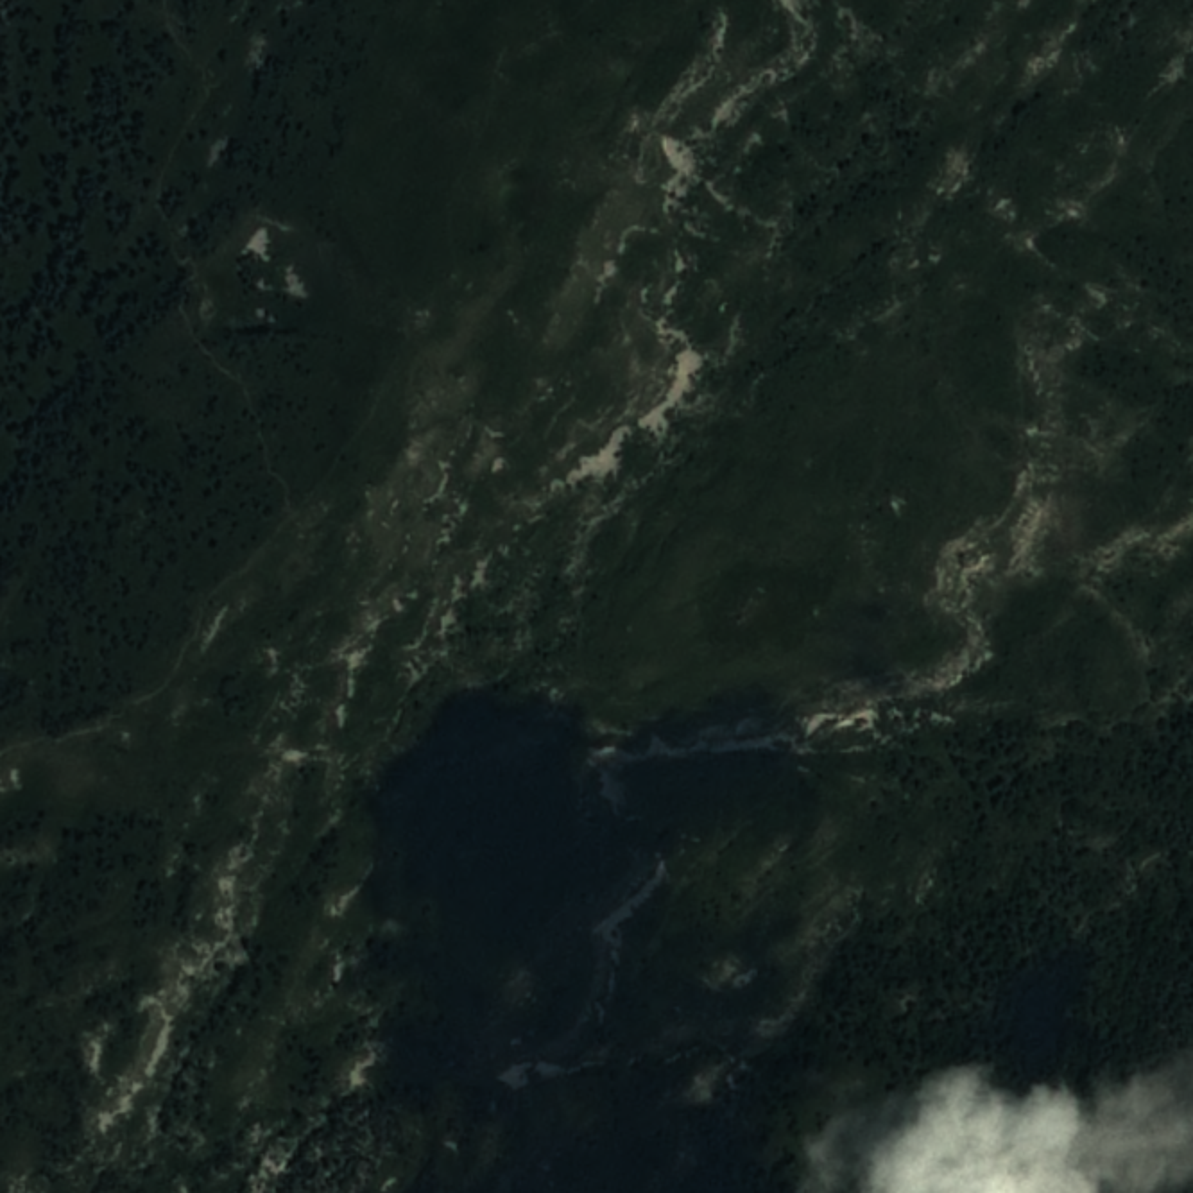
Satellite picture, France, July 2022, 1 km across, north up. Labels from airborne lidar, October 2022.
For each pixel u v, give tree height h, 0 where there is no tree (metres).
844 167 16
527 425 0
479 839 0
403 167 0
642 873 0
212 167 0
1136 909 8
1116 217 0
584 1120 0
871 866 0
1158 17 0
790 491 0
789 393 0
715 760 0
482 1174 0
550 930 0
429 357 0
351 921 0
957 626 0
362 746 0
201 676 0
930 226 0
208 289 0
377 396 0
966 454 0
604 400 0
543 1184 0
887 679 0
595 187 0
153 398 0
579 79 0
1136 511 0
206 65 0
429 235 0
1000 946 8
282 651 0
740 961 0
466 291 0
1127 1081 19
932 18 0
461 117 0
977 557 0
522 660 0
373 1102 11
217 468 8
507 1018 0
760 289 0
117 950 0
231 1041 0
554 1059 0
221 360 0
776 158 0
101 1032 0
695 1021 0
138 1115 0
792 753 0
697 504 0
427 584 0
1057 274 0
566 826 0
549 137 0
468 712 11
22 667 0
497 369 0
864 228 0
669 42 0
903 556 0
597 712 0
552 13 0
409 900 0
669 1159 0
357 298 0
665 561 0
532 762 0
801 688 0
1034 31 0
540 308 0
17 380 11
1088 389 0
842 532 0
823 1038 18
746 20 0
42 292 12
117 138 7
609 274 0
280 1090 0
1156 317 0
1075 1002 7
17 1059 0
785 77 0
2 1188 0
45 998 0
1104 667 0
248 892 0
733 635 0
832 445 0
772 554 0
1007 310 0
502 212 0
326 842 6
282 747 0
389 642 0
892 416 0
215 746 0
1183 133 0
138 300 8
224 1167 7
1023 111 7
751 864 0
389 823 0
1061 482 0
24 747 0
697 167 0
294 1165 12
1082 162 0
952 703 0
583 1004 0
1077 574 0
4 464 0
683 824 0
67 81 12
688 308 0
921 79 0
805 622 0
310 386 0
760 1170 12
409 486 0
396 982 0
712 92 0
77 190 10
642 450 0
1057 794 6
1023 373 0
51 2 0
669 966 0
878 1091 0
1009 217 0
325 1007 0
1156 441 0
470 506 0
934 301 0
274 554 0
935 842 0
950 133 0
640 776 0
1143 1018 11
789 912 0
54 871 0
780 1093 6
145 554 5
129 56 6
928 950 10
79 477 6
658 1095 9
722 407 0
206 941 0
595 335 0
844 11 0
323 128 0
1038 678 0
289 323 0
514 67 0
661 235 0
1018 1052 14
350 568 0
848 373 0
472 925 0
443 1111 0
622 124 0
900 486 0
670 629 0
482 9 0
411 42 0
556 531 0
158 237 6
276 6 0
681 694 0
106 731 0
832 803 0
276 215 0
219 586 0
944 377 0
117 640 6
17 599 0
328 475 0
